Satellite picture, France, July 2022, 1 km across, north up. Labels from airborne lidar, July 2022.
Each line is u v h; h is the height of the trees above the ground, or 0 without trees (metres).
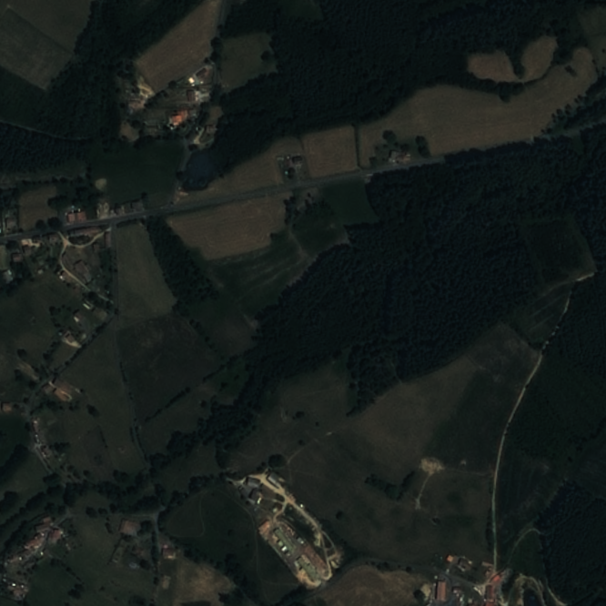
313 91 16
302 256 0
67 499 18
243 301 0
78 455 0
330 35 11
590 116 20
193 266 11
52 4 0
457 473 0
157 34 12
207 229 0
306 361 22
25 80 0
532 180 35
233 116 13
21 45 0
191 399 0
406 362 28
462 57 23
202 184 10
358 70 9
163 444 0
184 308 8
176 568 0
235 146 20
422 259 25
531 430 6
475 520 0
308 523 0
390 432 0
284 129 17
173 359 0
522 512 0
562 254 7
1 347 0
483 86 17
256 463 0
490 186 27
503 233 9
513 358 0
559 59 7
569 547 22
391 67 15
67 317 0
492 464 0
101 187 0
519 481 0
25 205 0
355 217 0
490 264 31
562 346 13
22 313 0
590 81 0
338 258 23
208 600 0
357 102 19
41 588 0
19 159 25
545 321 0
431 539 0
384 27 24
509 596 0
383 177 18
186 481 0
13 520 10
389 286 32
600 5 16
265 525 0
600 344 17
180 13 11
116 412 0
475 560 0
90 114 17
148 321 0
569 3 21
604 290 14
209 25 0
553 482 0
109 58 14
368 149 0
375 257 22
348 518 0
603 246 37
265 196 0
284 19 23
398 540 0
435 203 31
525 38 22
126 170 0
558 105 0
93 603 0
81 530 0
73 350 0
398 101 16
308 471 0
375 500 0
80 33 0
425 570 0
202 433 11
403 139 0
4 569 11
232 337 0
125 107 16
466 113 0
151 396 0
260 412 16
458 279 27
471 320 33
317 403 0
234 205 0
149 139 14
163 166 0
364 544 0
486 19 35
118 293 0
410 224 24
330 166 0
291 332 14
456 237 26
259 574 0
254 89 21
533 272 28
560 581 16
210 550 0
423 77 18
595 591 16
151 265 0
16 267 10
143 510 16
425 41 26
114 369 0
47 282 0
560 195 14
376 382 14
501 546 0
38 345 0
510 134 0
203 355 0
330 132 0
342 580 0
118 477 15
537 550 0
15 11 0
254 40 0
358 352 18
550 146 28
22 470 0
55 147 24
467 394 0
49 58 0
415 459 0
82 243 6
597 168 19
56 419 0
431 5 23
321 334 11
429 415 0
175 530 0
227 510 0
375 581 0
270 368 12
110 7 8
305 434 0
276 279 0
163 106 0
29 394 0
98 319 0
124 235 0
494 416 0
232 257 0
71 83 7
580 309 11
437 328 29
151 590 0
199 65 0
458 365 0
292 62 14
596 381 6
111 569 0
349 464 0
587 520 21
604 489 0
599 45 0
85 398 0
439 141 0
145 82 0
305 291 28
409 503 0
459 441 0
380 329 17
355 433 0
